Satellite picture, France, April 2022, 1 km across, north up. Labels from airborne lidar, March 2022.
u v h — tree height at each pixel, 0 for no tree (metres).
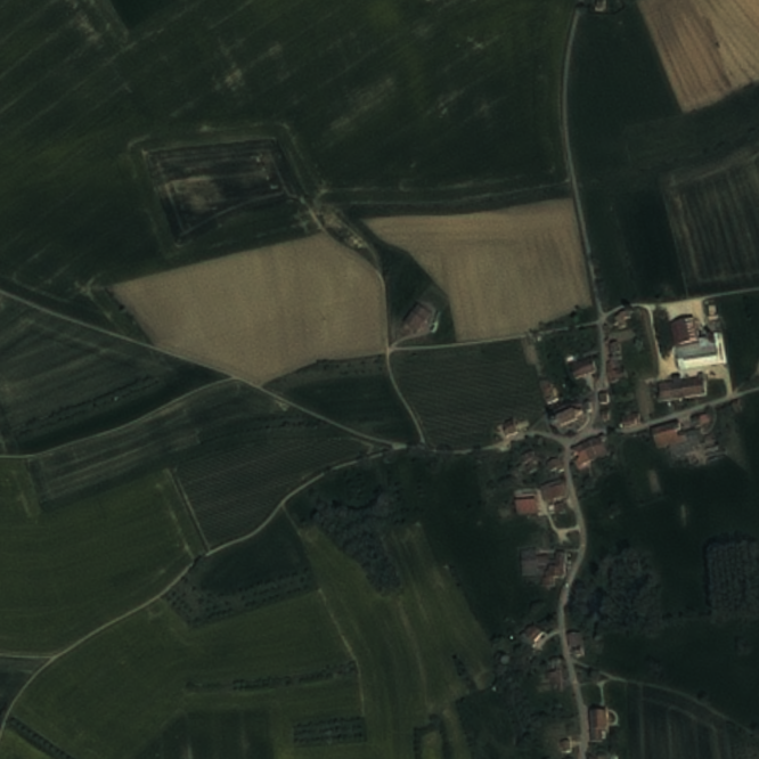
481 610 0
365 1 0
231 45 0
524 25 0
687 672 0
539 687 0
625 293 0
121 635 0
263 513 0
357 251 0
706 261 0
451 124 0
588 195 0
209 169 0
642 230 0
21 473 0
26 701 0
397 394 0
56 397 0
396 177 0
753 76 0
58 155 0
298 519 0
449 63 0
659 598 16
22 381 0
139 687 0
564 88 0
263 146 0
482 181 0
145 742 0
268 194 0
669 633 0
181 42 0
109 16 0
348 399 0
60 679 0
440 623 0
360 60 0
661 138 0
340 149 0
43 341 0
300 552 0
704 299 0
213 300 0
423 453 17
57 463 0
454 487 0
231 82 0
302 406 0
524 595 0
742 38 0
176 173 0
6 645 0
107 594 0
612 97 0
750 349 0
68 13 0
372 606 0
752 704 0
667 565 0
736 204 0
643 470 0
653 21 0
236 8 0
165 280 0
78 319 0
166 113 0
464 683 9
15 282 0
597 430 0
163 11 0
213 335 0
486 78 0
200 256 0
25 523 0
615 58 0
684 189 0
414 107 0
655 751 0
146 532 0
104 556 0
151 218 0
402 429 0
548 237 0
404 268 0
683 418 0
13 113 0
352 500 7
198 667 0
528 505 0
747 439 0
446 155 0
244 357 0
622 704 0
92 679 0
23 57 0
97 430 0
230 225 0
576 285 0
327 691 0
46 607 0
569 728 0
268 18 0
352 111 0
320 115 0
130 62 0
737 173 0
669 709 0
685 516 0
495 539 0
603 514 0
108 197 0
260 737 0
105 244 0
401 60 0
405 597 0
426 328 0
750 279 0
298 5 0
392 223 0
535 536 0
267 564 0
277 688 0
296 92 0
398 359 0
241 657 0
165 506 0
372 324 0
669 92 0
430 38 0
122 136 0
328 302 0
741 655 16
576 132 0
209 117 0
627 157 0
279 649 0
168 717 0
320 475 0
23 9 0
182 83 0
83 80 0
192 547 0
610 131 0
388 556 22
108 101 0
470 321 0
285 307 0
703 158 0
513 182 0
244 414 0
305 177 0
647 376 0
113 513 0
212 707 0
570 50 0
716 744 0
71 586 0
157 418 0
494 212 0
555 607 0
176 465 0
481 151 0
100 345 0
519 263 0
